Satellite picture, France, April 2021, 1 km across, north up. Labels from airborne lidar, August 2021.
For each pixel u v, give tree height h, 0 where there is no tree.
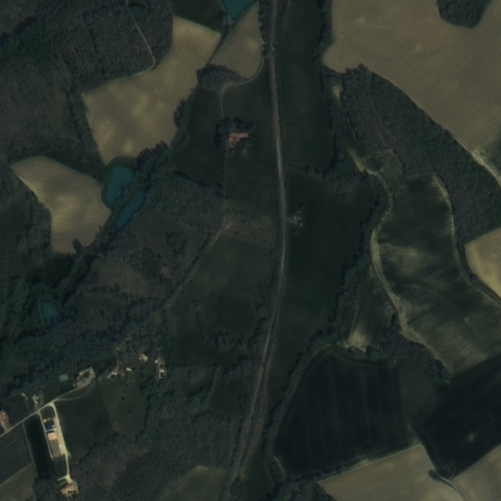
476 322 0
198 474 0
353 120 24
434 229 0
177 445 14
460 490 0
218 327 0
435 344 0
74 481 14
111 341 13
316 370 0
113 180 0
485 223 11
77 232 0
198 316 15
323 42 15
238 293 0
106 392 0
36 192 0
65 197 0
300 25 0
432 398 0
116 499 8
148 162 33
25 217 0
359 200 0
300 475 0
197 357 0
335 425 0
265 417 0
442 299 0
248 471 0
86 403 0
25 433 0
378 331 0
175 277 0
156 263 8
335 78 15
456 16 13
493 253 0
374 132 19
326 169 0
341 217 0
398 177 0
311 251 0
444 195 0
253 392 17
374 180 15
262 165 0
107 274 0
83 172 8
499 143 0
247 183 0
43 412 0
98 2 7
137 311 8
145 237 0
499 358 0
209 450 24
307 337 0
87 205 0
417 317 0
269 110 0
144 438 16
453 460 0
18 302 24
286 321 0
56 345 18
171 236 8
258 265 0
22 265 0
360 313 0
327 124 0
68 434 0
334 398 0
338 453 0
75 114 20
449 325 0
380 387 0
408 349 20
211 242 12
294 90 0
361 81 25
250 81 0
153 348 22
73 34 6
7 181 12
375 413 0
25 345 19
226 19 24
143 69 18
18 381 10
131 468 9
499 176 0
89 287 15
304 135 0
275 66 9
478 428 0
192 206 23
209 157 0
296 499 24
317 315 0
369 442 0
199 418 16
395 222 0
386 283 0
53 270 0
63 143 11
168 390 11
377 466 0
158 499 23
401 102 23
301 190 0
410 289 0
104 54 18
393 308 0
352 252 0
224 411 0
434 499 0
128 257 15
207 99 0
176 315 8
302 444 0
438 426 0
